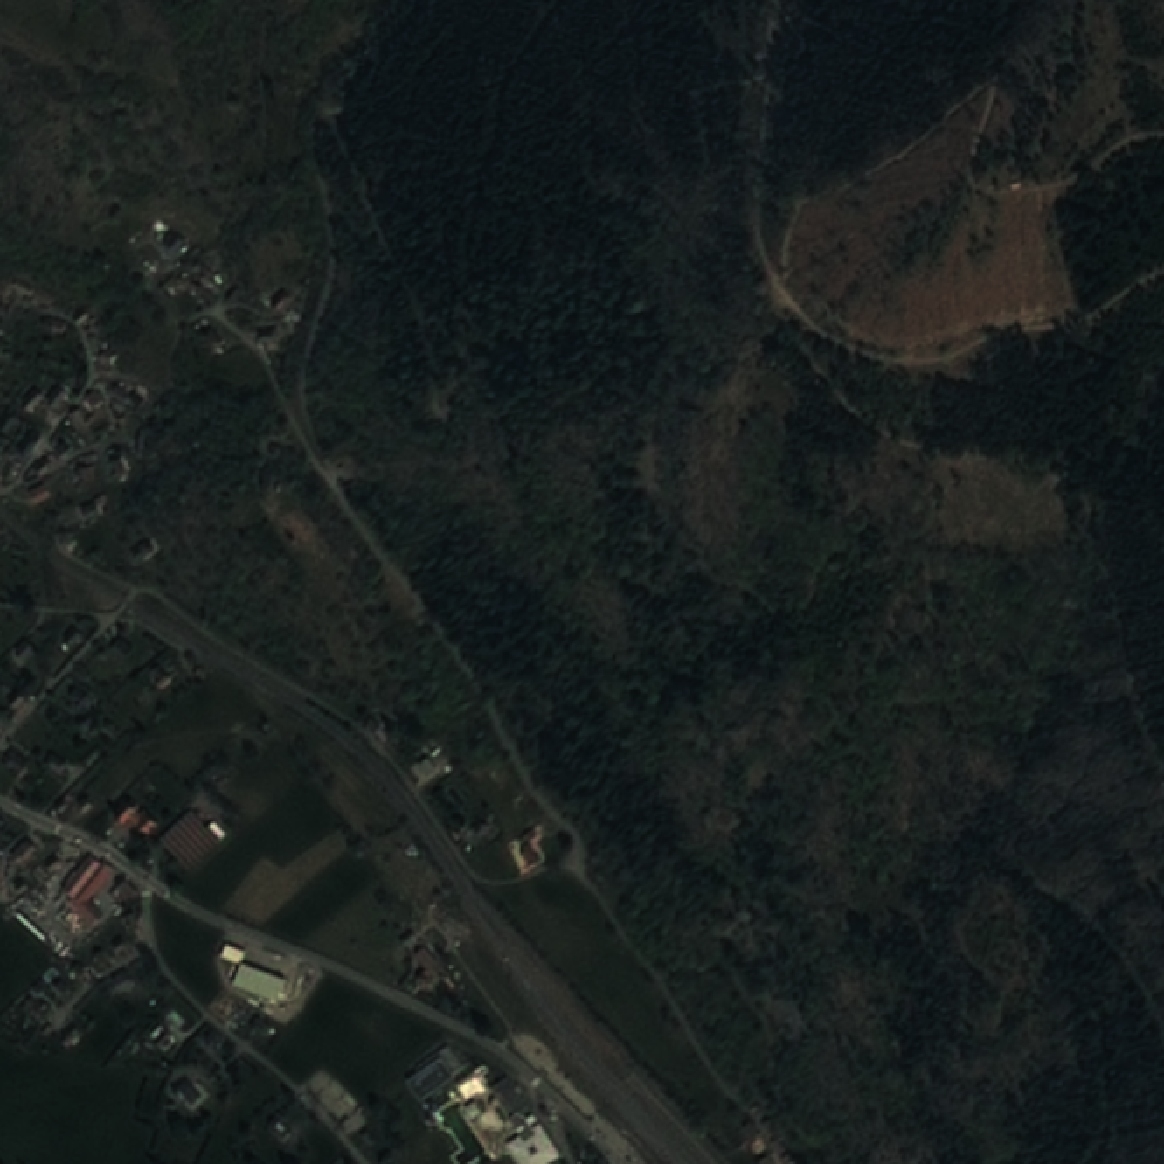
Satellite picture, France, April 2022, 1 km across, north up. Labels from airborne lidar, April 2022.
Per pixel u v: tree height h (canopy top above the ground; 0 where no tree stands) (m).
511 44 21
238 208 9
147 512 12
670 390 20
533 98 24
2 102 6
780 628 20
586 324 34
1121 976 18
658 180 14
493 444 12
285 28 12
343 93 12
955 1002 25
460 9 20
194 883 0
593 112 14
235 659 0
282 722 0
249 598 10
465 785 11
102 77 10
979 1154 21
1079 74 12
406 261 21
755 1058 9
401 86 23
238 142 13
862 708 23
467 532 15
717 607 19
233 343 0
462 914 0
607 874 19
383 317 20
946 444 22
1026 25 16
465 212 31
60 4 0
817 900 11
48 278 11
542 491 13
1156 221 9
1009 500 0
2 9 0
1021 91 13
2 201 11
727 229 13
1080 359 27
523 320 32
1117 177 9
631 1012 0
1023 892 25
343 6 17
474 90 23
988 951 8
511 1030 0
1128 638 22
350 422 11
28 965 0
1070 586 27
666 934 15
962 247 0
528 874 0
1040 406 22
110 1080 0
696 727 12
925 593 14
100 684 8
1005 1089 24
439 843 0
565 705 23
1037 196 0
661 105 20
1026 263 0
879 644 9
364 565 17
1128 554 28
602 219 20
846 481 17
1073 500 26
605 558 11
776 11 9
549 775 22
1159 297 8
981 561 20
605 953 0
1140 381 10
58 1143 0
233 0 20
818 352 20
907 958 33
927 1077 19
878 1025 7
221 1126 0
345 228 12
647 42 23
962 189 12
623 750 17
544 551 13
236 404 12
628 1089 0
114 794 0
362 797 0
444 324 11
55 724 13
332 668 15
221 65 18
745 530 17
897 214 0
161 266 0
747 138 6
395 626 0
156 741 0
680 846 21
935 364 0
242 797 0
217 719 0
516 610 29
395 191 17
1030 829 22
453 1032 0
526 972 0
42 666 11
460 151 22
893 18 24
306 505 8
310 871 0
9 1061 0
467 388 9
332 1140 0
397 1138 16
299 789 0
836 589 10
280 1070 0
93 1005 0
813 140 13
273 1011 0
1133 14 7
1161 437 30
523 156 28
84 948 0
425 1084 0
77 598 0
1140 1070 17
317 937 0
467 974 0
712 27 14
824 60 17
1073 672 27
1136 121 7
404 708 10
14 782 0
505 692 17
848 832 21
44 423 0
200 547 14
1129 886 24
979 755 24
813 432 19
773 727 10
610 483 18
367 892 0
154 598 0
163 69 0
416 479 13
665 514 19
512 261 23
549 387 25
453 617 19
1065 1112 27
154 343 0
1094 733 17
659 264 11
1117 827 21
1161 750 21
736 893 14
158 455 0
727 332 11
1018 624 24
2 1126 0
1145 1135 19
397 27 20
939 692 26
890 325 0
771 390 0
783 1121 9
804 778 18
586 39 24
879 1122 17
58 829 0
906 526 23
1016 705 27
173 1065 6
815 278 12
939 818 26
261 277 0
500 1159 0
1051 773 26
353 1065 0
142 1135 0
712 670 13
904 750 25
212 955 0
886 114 20
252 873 0
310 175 9
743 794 31
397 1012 0
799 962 9
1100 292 29
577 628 14
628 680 14
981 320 0
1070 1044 17
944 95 19
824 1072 13
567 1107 0
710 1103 0
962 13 22
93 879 0
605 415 18
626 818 23
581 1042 0
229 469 9
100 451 0
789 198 13
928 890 21
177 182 9
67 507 6
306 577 6
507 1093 0
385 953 0
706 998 9
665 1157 0
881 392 17
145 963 15
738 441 13
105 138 19
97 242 0
